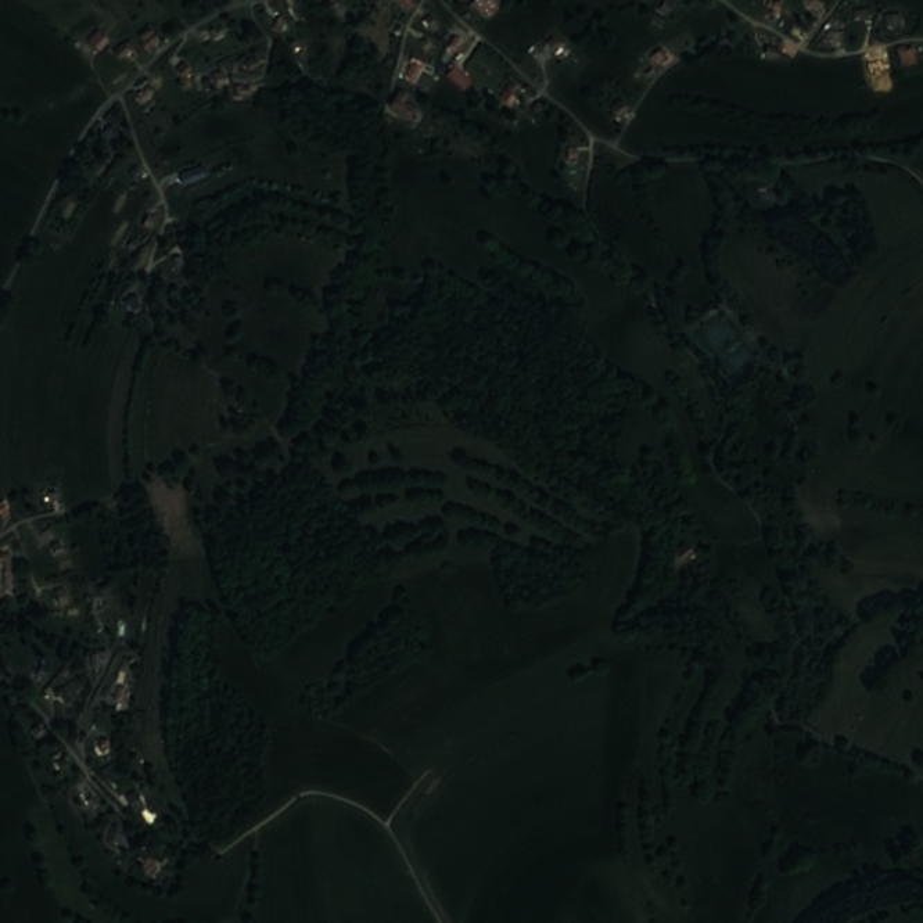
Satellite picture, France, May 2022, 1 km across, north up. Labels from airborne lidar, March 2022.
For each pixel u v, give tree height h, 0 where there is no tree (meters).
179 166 0
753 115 6
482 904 0
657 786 0
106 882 0
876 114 13
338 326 21
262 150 0
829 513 0
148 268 0
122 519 7
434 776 0
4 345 0
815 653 10
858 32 0
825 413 0
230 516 15
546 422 22
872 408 0
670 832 0
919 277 0
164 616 0
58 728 16
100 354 0
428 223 0
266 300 0
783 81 0
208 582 0
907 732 0
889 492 0
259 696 0
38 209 0
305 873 0
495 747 0
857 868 0
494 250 18
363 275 26
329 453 18
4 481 0
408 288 0
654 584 21
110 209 0
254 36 20
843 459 0
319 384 25
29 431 0
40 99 0
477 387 20
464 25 0
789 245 25
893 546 0
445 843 0
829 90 0
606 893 0
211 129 0
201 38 0
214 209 13
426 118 0
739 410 23
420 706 0
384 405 21
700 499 0
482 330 21
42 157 0
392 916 0
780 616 19
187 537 0
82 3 0
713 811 0
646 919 0
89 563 0
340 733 0
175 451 0
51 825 0
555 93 0
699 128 0
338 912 0
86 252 0
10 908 0
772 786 0
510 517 0
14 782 0
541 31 0
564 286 21
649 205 7
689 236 0
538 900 0
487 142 9
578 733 0
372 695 0
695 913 0
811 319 0
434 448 0
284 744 0
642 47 0
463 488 0
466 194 0
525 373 23
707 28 0
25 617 10
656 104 0
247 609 20
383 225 23
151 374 0
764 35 0
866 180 0
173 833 7
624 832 12
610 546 0
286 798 0
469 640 0
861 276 0
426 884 0
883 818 0
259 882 14
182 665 21
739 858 0
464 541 15
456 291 14
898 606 26
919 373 0
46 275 0
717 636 22
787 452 13
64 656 16
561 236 16
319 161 0
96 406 0
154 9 0
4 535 0
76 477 0
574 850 0
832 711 0
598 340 0
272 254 0
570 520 16
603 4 0
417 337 21
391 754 0
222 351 0
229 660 0
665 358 0
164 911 0
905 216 0
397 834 0
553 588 22
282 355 0
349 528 17
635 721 0
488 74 0
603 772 0
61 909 0
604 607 0
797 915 0
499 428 21
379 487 17
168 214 0
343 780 0
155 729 0
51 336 0
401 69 0
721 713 0
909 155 24
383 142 20
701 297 0
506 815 0
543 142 0
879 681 23
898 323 0
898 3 0
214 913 0
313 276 0
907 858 15
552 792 0
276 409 0
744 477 8
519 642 0
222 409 0
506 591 13
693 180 0
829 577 0
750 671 0
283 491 21
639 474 8
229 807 6
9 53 0
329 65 0
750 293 0
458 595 0
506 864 0
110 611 0
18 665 0
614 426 10
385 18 0
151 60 0
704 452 17
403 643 23
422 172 0
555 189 0
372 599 0
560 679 0
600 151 0
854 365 0
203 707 18
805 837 0
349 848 0
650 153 0
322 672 0
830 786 0
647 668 0
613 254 24
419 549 20
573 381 26
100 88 0
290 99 19
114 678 0
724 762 9
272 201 14
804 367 15
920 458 0
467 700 0
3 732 0
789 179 24
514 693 0
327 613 10
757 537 0
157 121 0
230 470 18
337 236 8
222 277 12
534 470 16
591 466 22
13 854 0
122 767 10
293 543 23
